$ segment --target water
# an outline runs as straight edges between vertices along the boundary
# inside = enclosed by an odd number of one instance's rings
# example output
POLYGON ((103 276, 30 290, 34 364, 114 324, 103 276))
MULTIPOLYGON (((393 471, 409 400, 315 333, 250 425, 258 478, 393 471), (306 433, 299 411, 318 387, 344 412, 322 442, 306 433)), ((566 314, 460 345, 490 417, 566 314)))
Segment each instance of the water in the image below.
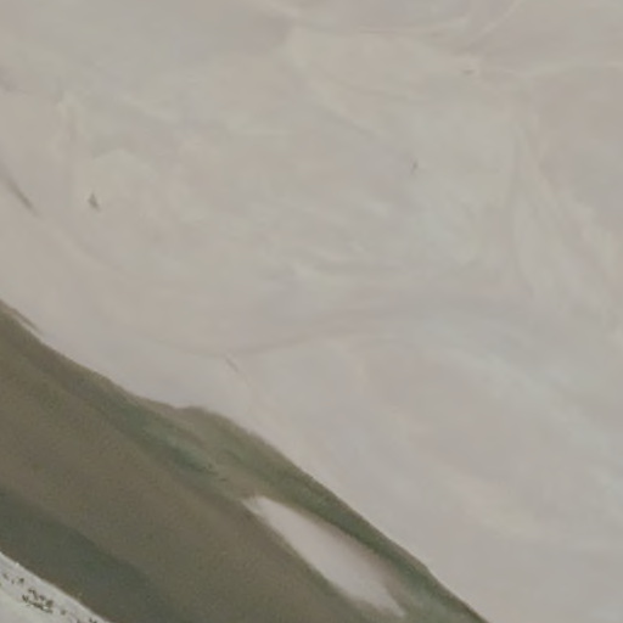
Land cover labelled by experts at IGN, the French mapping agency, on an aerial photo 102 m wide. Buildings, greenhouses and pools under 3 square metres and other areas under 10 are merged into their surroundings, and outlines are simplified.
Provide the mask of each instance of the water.
POLYGON ((487 623, 465 601, 450 594, 426 569, 423 562, 419 562, 414 555, 409 555, 389 538, 385 538, 360 513, 355 513, 348 504, 343 504, 314 477, 302 472, 294 462, 290 462, 260 436, 202 406, 170 406, 163 402, 136 397, 117 387, 112 380, 46 348, 41 341, 37 341, 29 331, 19 326, 19 314, 15 309, 0 302, 0 552, 19 562, 39 579, 73 596, 85 608, 90 608, 110 623, 487 623), (346 596, 338 586, 321 577, 277 531, 273 531, 260 516, 248 511, 251 499, 256 496, 273 499, 297 511, 299 516, 314 521, 336 538, 346 535, 355 540, 360 545, 358 550, 367 557, 370 567, 377 567, 382 572, 382 586, 387 589, 392 601, 385 608, 377 608, 367 601, 346 596))

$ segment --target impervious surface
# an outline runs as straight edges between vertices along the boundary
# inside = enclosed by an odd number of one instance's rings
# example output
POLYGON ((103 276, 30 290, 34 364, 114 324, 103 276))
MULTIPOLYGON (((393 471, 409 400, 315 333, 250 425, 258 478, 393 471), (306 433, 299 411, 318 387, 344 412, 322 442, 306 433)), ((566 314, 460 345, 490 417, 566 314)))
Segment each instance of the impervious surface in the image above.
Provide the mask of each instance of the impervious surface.
POLYGON ((85 608, 73 596, 39 579, 19 562, 0 552, 0 623, 110 623, 90 608, 85 608), (22 604, 22 596, 29 589, 37 589, 39 594, 54 601, 51 613, 41 613, 22 604))

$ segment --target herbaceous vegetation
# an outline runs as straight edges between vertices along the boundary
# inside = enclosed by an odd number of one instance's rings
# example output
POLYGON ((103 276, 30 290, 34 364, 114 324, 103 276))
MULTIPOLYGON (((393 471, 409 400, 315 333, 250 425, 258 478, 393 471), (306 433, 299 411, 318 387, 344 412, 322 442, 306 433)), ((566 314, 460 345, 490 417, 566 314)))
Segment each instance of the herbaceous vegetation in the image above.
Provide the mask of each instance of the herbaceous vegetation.
POLYGON ((22 604, 41 613, 51 613, 54 601, 39 594, 37 589, 29 589, 22 596, 22 604))

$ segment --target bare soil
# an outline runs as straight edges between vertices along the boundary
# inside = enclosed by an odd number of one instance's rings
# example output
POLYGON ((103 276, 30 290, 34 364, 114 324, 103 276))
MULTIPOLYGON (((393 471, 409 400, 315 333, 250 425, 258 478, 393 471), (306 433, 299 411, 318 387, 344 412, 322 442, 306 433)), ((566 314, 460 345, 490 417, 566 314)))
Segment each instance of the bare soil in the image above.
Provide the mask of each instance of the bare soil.
POLYGON ((450 594, 465 601, 487 623, 623 623, 623 0, 0 0, 0 302, 15 309, 19 314, 19 326, 29 331, 37 341, 41 341, 46 348, 112 380, 117 387, 136 397, 163 402, 170 406, 202 406, 260 436, 290 462, 294 462, 302 472, 314 477, 343 504, 348 504, 355 513, 360 513, 385 538, 389 538, 409 555, 414 555, 419 562, 423 562, 426 569, 450 594))
POLYGON ((273 499, 256 496, 251 499, 248 511, 260 516, 273 531, 277 531, 321 577, 338 586, 346 596, 367 601, 377 608, 385 608, 392 601, 387 589, 382 586, 382 572, 377 567, 370 567, 367 557, 358 550, 360 545, 355 540, 346 535, 336 538, 314 521, 299 516, 297 511, 273 499))

